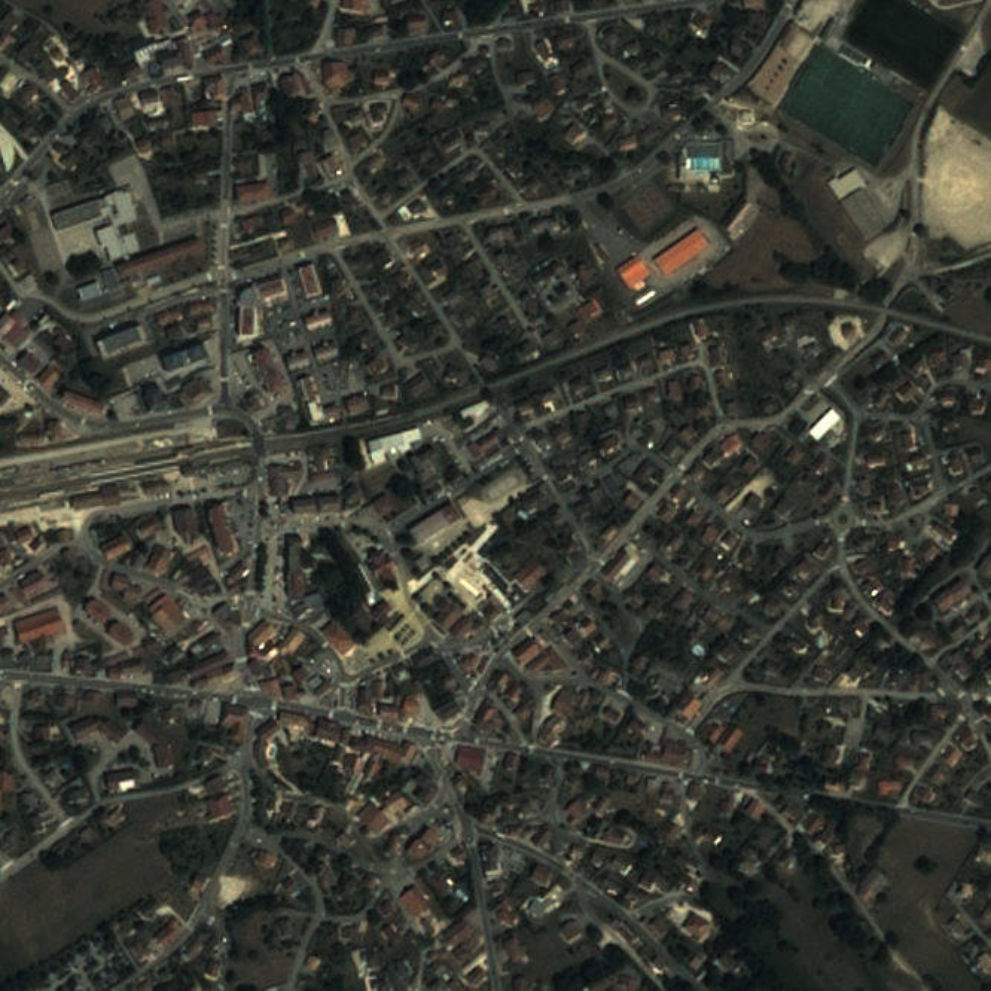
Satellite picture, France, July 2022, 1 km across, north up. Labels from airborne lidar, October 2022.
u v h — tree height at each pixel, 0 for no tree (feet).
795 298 0
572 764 33
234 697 0
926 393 0
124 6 20
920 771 0
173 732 0
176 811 0
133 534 0
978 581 0
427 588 0
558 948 0
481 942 0
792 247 0
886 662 37
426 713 0
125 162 0
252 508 0
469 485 0
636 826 49
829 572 0
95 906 0
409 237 0
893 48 0
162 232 0
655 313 0
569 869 0
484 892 0
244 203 0
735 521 0
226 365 0
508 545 35
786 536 0
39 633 0
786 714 0
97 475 0
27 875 0
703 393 34
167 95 0
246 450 0
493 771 0
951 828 0
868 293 23
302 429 23
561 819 0
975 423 0
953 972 0
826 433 0
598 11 0
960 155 0
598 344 0
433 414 0
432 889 23
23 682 0
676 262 0
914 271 0
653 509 0
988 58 29
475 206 32
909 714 45
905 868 0
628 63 22
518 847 0
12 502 0
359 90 20
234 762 0
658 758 0
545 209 0
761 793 0
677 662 18
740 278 0
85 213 0
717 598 0
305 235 0
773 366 0
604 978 69
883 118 0
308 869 25
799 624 0
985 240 0
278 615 0
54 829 0
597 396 0
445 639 0
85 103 0
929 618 48
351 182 0
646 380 0
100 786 0
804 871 17
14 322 0
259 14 68
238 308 0
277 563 0
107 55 28
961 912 0
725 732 0
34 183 0
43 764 48
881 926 0
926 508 0
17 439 0
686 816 0
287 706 0
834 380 0
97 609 0
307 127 39
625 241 0
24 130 0
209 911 0
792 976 0
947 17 0
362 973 0
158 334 0
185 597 0
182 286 0
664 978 23
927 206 0
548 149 41
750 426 0
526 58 0
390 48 0
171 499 0
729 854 36
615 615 48
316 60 0
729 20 49
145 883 0
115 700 0
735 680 0
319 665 0
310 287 0
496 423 0
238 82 0
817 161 0
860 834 0
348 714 0
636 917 0
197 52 0
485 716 0
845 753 0
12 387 0
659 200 0
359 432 0
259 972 0
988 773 0
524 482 0
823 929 0
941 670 0
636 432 0
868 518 0
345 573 39
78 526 0
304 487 0
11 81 0
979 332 0
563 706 0
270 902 54
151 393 0
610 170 44
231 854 0
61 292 0
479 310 0
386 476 0
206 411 0
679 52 27
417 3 34
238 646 0
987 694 0
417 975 0
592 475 0
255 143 19
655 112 0
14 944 0
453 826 0
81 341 27
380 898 0
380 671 0
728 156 0
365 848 0
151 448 0
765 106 0
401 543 27
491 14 71
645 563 0
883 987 0
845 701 0
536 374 0
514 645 0
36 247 0
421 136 35
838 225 0
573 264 18
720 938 20
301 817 0
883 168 0
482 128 0
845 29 0
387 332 0
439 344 37
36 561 0
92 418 0
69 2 0
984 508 0
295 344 0
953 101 0
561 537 28
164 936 0
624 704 0
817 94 0
